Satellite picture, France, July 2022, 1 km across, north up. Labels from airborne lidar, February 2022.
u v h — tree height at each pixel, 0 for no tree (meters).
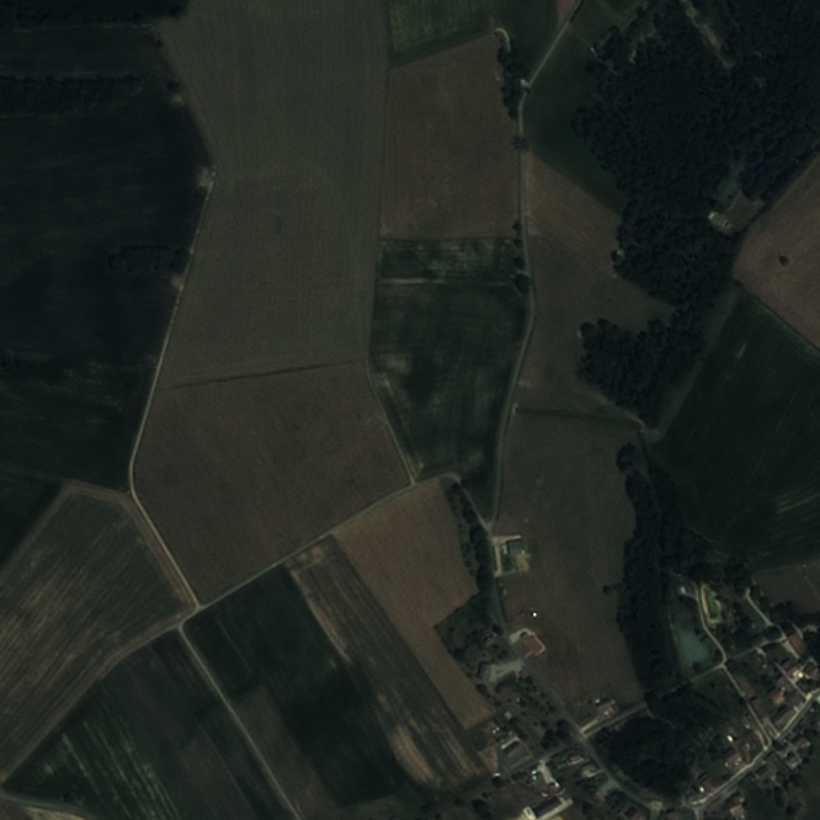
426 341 0
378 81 0
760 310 0
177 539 0
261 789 0
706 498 0
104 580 0
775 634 20
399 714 0
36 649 0
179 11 25
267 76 0
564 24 0
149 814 0
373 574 0
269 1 0
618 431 0
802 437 0
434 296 0
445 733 0
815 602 0
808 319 0
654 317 0
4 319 0
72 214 0
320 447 0
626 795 8
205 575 0
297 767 0
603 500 0
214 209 0
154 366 0
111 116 0
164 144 0
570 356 0
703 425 0
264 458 0
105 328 0
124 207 0
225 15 0
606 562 0
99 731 0
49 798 0
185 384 0
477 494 0
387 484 0
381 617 0
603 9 0
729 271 9
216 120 0
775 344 0
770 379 0
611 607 0
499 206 0
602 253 0
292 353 0
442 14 0
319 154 0
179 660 0
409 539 0
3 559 0
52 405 0
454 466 0
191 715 0
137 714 0
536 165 0
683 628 0
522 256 7
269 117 0
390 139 0
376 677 0
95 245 0
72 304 0
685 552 16
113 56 0
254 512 0
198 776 0
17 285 0
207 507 0
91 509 0
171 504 0
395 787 0
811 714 0
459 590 0
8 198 0
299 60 0
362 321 0
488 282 0
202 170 0
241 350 0
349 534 0
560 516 0
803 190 0
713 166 22
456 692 0
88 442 0
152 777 0
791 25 20
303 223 0
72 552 0
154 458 0
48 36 0
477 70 0
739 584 13
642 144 29
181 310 0
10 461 0
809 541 0
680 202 25
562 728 13
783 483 0
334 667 0
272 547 0
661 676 22
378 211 0
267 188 0
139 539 0
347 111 0
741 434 0
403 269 0
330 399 0
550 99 0
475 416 0
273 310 0
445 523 0
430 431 0
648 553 24
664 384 21
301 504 0
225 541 0
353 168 0
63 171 0
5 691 0
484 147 0
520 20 0
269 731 0
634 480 20
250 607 0
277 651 0
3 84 18
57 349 0
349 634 0
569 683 0
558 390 0
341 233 0
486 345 0
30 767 0
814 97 28
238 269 0
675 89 25
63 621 0
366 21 0
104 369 0
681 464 0
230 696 0
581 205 0
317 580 0
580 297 0
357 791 0
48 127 0
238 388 0
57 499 0
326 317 0
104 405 0
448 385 0
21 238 0
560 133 0
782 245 0
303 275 0
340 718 0
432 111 0
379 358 0
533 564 0
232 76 0
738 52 26
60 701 0
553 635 0
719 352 0
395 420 0
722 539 0
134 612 0
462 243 0
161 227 0
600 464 0
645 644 7
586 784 7
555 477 0
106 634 0
